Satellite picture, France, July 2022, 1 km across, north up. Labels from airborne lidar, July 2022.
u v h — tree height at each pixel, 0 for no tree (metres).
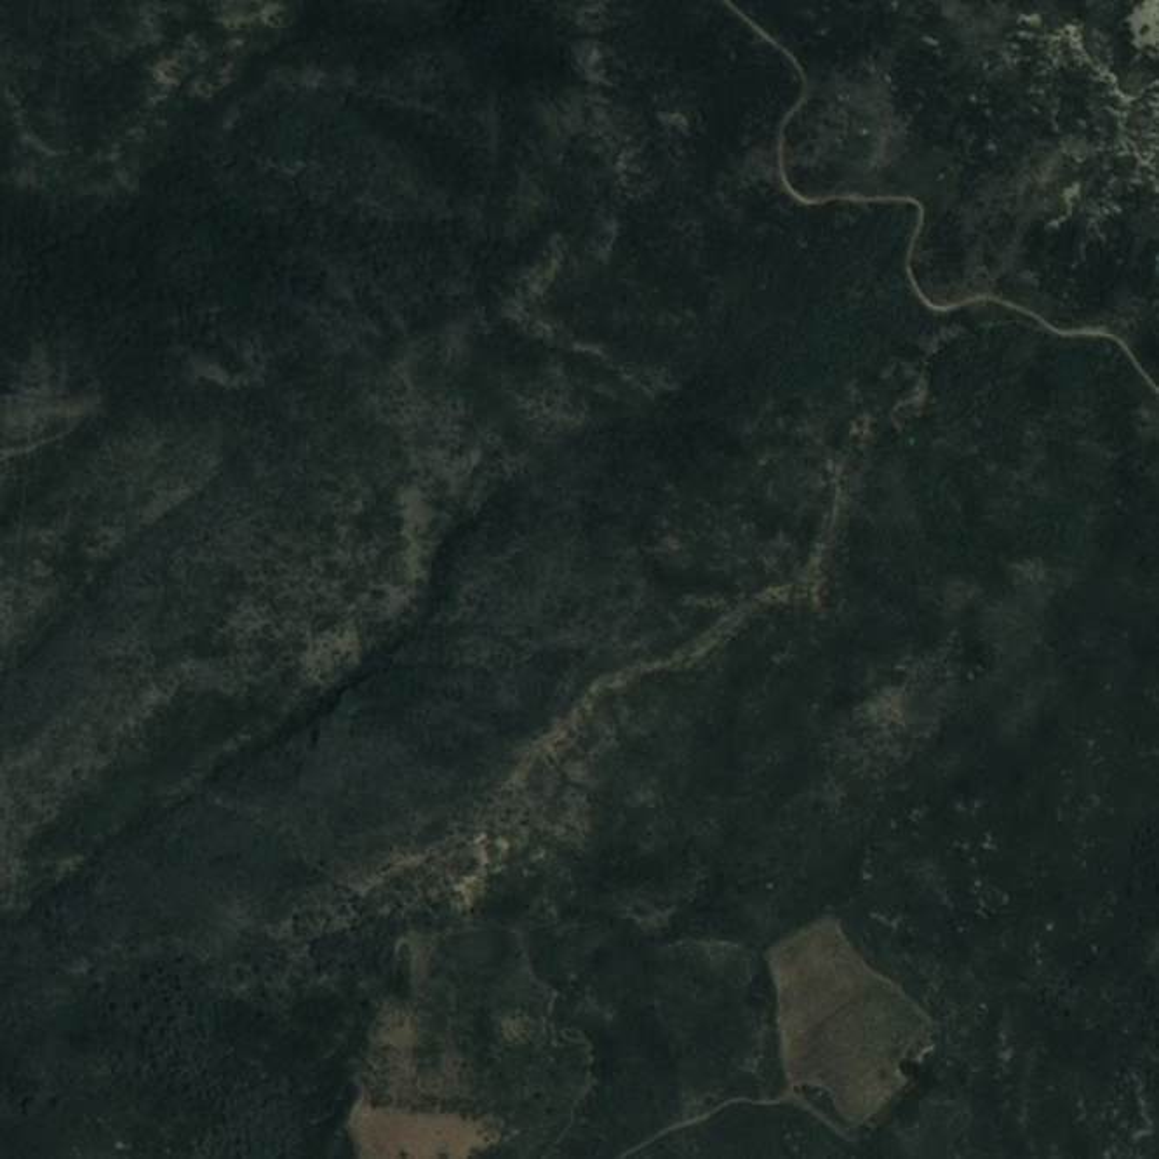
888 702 0
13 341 6
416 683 5
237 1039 6
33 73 6
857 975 0
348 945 10
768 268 8
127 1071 6
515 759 0
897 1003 0
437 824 0
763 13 7
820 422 0
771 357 6
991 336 7
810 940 0
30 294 10
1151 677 0
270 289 8
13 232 12
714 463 0
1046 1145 0
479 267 7
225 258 7
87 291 6
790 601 0
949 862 0
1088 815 0
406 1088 0
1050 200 0
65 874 6
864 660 0
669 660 0
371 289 6
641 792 0
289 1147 13
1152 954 0
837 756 0
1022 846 0
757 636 0
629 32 9
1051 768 0
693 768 0
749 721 0
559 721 0
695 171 6
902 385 7
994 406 6
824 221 7
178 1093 6
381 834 0
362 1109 0
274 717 8
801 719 0
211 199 7
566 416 0
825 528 0
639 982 0
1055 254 8
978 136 7
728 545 0
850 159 0
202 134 7
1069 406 6
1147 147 0
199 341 6
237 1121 12
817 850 0
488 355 5
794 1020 0
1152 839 8
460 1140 0
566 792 0
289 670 6
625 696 0
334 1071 8
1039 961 0
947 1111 0
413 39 6
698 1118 0
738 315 6
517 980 0
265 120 7
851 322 7
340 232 8
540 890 0
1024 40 8
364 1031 6
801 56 7
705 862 6
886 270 6
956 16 0
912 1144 0
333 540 5
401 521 8
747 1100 0
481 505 7
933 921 0
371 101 7
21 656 6
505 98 8
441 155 6
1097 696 0
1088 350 7
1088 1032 0
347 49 8
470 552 6
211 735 6
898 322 7
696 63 7
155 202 13
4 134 7
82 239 12
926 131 8
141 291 10
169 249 8
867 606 0
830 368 6
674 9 6
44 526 5
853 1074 0
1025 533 6
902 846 0
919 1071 6
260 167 7
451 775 0
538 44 7
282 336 6
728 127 7
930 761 0
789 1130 0
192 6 6
